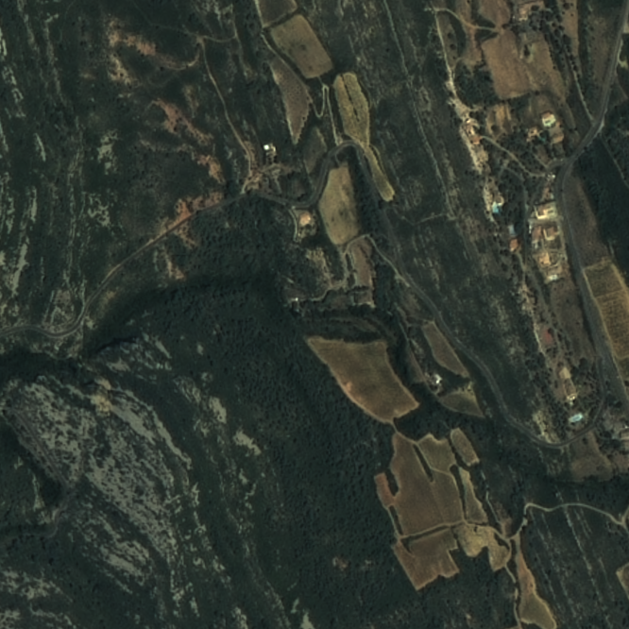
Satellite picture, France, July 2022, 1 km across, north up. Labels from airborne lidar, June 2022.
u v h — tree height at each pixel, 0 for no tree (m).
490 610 7
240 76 0
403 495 0
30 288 9
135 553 0
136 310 6
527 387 0
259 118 0
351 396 0
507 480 0
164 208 0
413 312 0
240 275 7
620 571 0
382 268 16
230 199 9
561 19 13
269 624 10
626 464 0
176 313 8
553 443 0
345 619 7
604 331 0
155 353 8
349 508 6
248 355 8
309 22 0
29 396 0
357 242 0
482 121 8
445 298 0
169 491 0
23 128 0
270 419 6
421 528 0
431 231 0
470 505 0
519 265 8
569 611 0
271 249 10
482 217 0
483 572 8
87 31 10
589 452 0
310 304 17
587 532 0
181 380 8
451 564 0
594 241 0
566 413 9
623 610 11
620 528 10
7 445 25
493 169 11
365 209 10
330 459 8
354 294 7
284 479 7
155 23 0
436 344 0
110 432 0
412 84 0
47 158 0
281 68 0
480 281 0
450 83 0
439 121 0
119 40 0
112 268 0
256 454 0
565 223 0
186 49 0
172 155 7
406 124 0
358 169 8
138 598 0
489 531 0
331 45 0
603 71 0
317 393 11
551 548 0
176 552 0
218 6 0
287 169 0
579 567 0
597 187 12
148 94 0
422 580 0
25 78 0
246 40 0
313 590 6
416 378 0
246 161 0
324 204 0
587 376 6
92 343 6
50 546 8
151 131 0
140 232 0
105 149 0
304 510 6
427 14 0
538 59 0
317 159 0
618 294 0
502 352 0
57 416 0
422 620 6
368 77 0
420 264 0
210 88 0
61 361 8
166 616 0
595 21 0
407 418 7
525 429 0
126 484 0
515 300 7
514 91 0
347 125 0
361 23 0
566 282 0
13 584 0
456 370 0
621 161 11
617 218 6
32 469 12
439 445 0
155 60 0
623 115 10
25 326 0
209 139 0
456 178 0
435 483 0
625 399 0
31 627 0
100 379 0
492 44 0
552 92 0
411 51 0
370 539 10
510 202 10
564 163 0
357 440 8
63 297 0
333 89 6
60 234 7
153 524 0
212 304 11
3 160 0
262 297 7
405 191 0
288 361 9
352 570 7
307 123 7
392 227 0
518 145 7
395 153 0
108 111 0
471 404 0
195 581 0
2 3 8
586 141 0
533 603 0
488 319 0
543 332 0
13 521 17
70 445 0
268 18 0
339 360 0
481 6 0
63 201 9
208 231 10
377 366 0
